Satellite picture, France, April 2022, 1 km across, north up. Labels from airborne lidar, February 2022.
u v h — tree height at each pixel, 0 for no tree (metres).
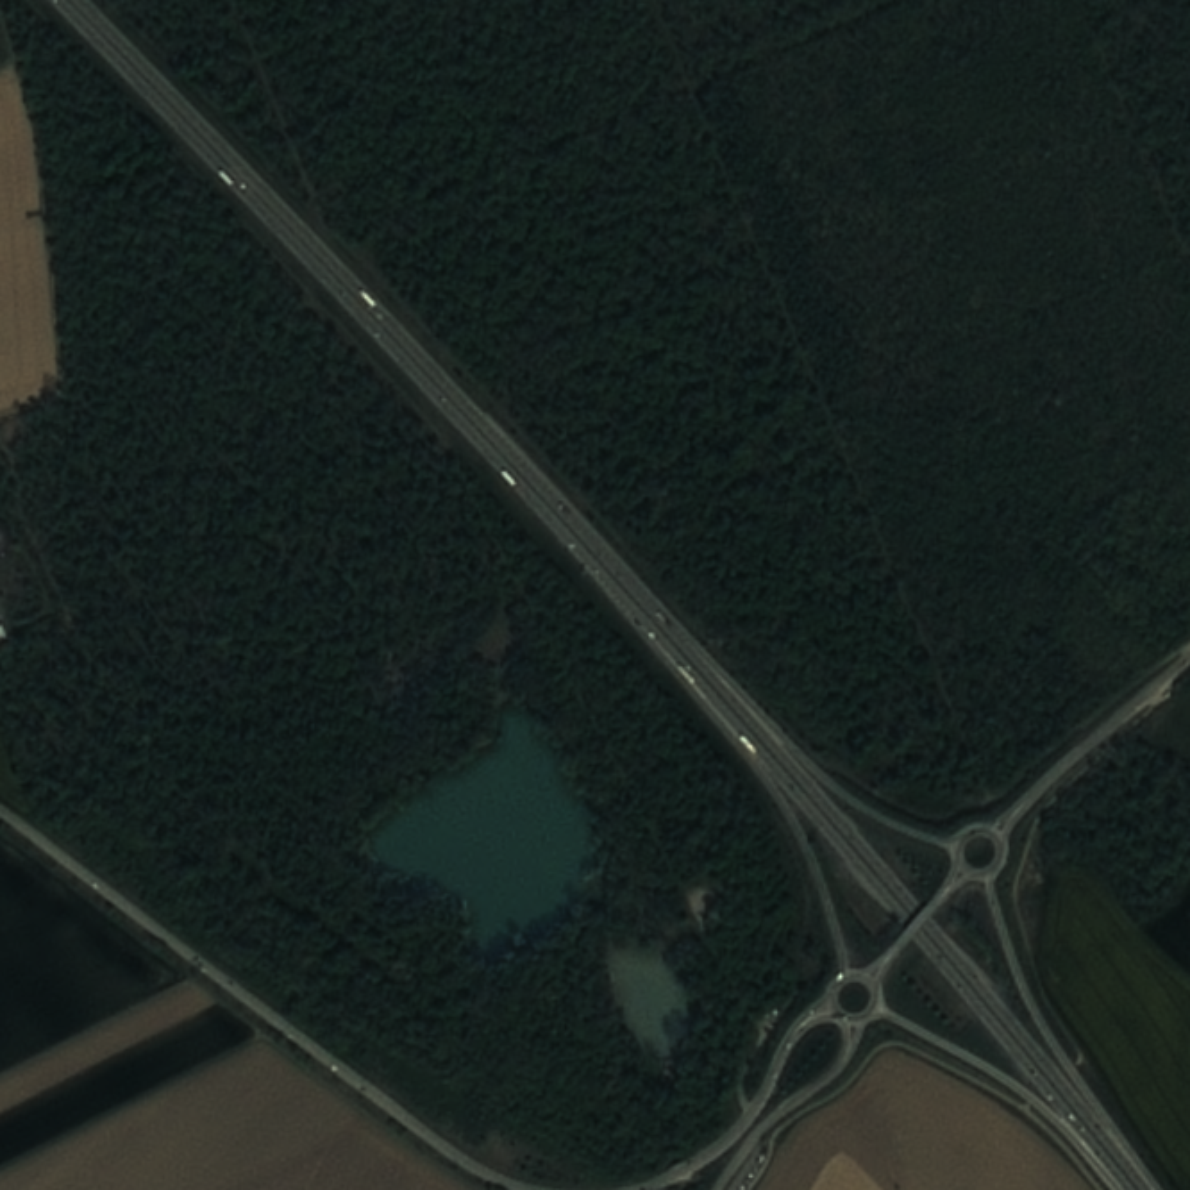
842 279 10
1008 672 16
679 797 18
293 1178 0
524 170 21
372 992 14
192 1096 0
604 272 21
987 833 0
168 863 10
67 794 10
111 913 8
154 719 18
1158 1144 0
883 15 12
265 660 13
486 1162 0
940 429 10
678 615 0
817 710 13
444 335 16
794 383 18
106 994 0
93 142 19
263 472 16
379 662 14
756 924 11
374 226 9
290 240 0
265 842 17
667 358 20
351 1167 0
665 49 13
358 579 17
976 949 0
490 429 0
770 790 0
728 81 11
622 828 12
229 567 20
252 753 19
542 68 19
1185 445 13
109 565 16
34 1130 0
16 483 8
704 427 18
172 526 18
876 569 18
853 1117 0
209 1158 0
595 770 8
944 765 16
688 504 17
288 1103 0
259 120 17
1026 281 10
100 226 13
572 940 10
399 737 17
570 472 9
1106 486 11
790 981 8
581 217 18
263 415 8
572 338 17
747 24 10
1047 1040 0
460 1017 16
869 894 0
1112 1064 0
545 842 0
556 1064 12
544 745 0
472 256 19
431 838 0
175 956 12
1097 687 10
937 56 11
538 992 12
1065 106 13
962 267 14
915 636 15
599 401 15
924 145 11
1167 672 0
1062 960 0
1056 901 0
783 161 11
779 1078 0
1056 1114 0
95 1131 0
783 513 19
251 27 17
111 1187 0
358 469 18
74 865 0
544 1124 8
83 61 9
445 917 13
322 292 0
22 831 0
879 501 15
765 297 14
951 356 11
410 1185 0
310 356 19
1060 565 11
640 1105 13
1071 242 10
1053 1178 0
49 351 0
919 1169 0
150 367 16
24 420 16
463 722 14
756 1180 0
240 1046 0
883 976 0
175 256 17
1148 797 13
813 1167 0
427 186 16
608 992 18
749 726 0
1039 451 12
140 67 0
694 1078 15
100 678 16
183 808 11
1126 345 12
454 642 11
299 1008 12
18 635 11
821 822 0
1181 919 0
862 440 15
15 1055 0
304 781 13
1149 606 18
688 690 0
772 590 22
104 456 19
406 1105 0
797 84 13
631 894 24
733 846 19
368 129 21
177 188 16
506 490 0
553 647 14
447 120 18
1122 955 0
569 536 0
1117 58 12
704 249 18
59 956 0
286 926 15
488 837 0
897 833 0
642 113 16
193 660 15
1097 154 11
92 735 18
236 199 0
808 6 8
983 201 12
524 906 0
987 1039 0
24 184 0
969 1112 0
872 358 11
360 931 17
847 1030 0
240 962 9
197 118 0
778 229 11
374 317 0
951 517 11
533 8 15
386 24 15
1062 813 9
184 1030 0
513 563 7
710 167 19
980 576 11
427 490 15
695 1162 0
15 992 0
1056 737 11
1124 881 6
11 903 0
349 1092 0
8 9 10
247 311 19
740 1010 17
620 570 0
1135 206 11
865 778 0
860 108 13
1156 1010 0
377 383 19
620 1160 12
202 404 18
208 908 11
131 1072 0
